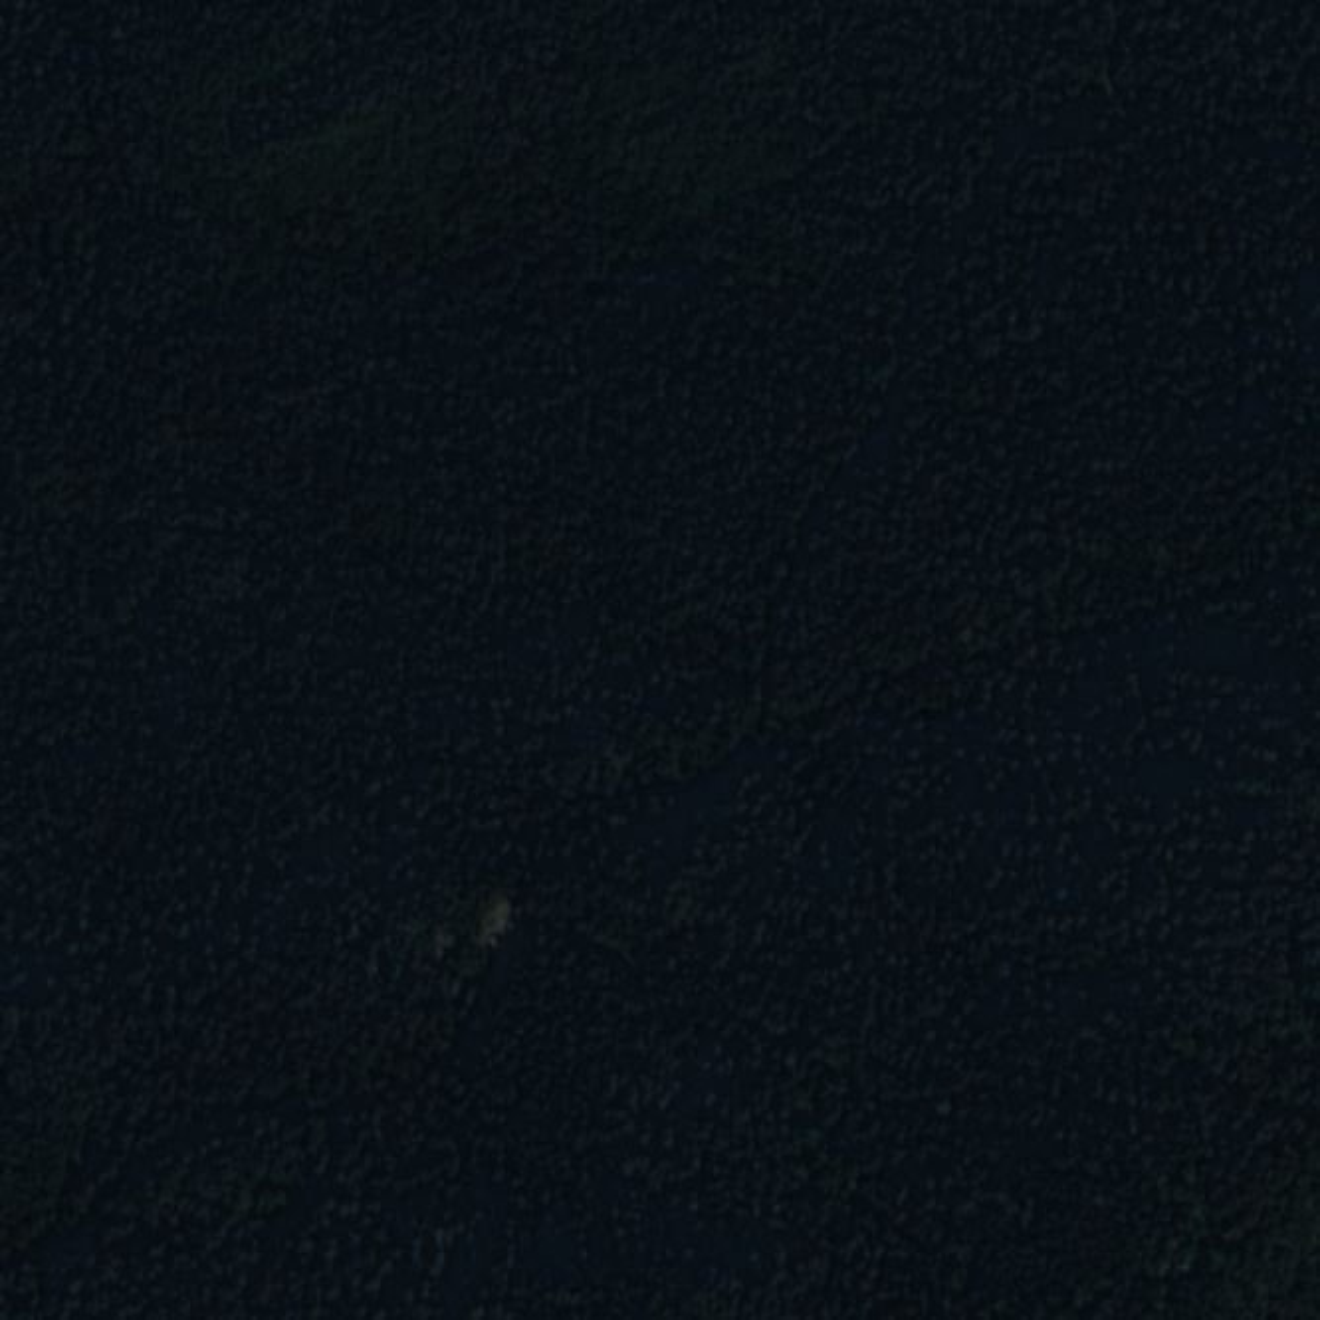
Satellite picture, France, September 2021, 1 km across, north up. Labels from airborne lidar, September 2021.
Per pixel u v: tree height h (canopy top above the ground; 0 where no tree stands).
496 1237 15
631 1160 17
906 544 28
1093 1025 14
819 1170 19
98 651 25
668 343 25
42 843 33
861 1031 25
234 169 18
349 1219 38
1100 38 27
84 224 25
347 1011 23
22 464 19
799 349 18
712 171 15
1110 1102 30
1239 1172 18
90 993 17
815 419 30
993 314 33
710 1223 19
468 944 14
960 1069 20
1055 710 20
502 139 29
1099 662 22
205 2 18
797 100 14
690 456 24
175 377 24
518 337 25
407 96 20
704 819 18
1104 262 23
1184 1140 20
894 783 30
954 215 29
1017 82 27
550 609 24
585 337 23
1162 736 17
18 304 28
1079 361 21
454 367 18
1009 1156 14
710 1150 21
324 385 27
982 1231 15
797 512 28
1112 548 15
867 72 24
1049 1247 14
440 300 23
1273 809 27
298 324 19
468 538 29
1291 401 13
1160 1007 20
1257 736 32
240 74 20
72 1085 10
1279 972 27
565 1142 29
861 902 30
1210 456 15
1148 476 18
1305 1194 8
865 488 23
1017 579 13
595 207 21
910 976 21
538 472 21
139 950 37
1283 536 21
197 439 16
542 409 26
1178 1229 19
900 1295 19
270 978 38
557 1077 18
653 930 21
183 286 20
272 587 28
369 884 18
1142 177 23
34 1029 32
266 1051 26
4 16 21
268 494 20
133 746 28
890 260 31
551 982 28
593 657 31
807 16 26
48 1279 14
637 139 10
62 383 28
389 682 28
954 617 28
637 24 19
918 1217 30
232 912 24
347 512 23
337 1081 22
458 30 25
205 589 27
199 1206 23
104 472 23
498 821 26
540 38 24
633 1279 19
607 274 25
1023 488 32
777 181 24
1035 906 19
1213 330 23
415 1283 21
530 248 26
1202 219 24
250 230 30
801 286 26
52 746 25
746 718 27
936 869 32
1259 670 17
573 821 27
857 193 29
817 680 27
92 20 24
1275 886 20
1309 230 28
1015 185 33
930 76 28
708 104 19
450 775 22
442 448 26
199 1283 25
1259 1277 25
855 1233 14
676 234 24
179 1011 27
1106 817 31
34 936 35
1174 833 25
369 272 21
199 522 31
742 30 26
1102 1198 16
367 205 20
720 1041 20
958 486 27
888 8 28
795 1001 22
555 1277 18
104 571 23
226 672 30
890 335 8
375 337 22
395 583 26
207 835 25
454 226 24
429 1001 25
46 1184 28
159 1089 35
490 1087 30
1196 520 16
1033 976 19
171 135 19
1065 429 26
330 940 23
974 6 28
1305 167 28
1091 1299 10
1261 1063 13
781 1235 17
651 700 13
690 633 15
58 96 31
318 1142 28
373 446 24
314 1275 12
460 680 29
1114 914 11
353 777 30
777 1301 10
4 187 28
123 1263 9
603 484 30
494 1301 20
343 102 16
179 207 29
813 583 29
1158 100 15
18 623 22
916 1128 25
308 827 36
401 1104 23
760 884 20
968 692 26
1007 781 29
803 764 21
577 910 21
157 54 23
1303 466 20
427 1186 28
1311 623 11
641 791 13
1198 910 30
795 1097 14
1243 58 19
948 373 25
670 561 18
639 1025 26
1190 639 24
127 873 23
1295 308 21
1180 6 7
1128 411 24
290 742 29
